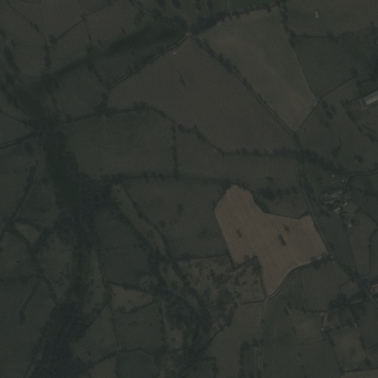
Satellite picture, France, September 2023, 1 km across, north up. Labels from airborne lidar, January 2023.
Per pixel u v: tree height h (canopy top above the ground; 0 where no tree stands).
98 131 0
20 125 0
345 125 0
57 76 0
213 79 0
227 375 0
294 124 0
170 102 0
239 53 0
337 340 0
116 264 0
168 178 0
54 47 0
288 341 0
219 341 0
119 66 0
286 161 0
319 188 0
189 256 10
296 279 0
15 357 0
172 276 0
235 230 0
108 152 0
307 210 0
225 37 0
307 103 0
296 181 0
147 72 0
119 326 0
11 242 0
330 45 0
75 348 0
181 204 0
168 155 0
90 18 0
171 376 0
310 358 0
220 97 0
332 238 0
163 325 12
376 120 0
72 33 0
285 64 0
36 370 8
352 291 0
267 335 0
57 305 6
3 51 0
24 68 0
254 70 0
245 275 0
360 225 0
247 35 0
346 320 0
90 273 0
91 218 16
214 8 0
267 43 0
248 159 0
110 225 0
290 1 0
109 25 0
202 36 0
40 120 0
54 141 0
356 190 0
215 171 0
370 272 0
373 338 0
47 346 15
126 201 0
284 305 0
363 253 0
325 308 0
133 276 0
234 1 0
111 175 0
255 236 0
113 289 0
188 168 0
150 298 0
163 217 0
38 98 0
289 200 0
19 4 0
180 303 13
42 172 0
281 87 0
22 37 0
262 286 0
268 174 0
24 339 0
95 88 0
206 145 0
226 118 0
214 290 0
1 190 0
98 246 15
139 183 0
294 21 0
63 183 0
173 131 13
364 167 0
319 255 0
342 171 14
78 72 0
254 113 0
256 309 0
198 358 11
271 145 0
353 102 0
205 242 0
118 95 0
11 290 0
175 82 0
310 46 0
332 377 0
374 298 6
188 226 0
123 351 6
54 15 0
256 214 0
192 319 12
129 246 0
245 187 12
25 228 0
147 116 0
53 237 0
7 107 0
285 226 0
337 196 0
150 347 0
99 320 0
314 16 0
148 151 0
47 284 15
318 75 0
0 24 0
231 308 0
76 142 0
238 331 0
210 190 0
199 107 0
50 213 0
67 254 0
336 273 0
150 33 0
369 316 0
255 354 0
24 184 0
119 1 0
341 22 0
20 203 12
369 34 0
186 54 0
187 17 0
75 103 0
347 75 0
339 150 7
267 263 0
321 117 0
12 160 0
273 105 0
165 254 0
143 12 12
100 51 0
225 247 0
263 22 0
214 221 0
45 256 0
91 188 12
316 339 0
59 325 0
